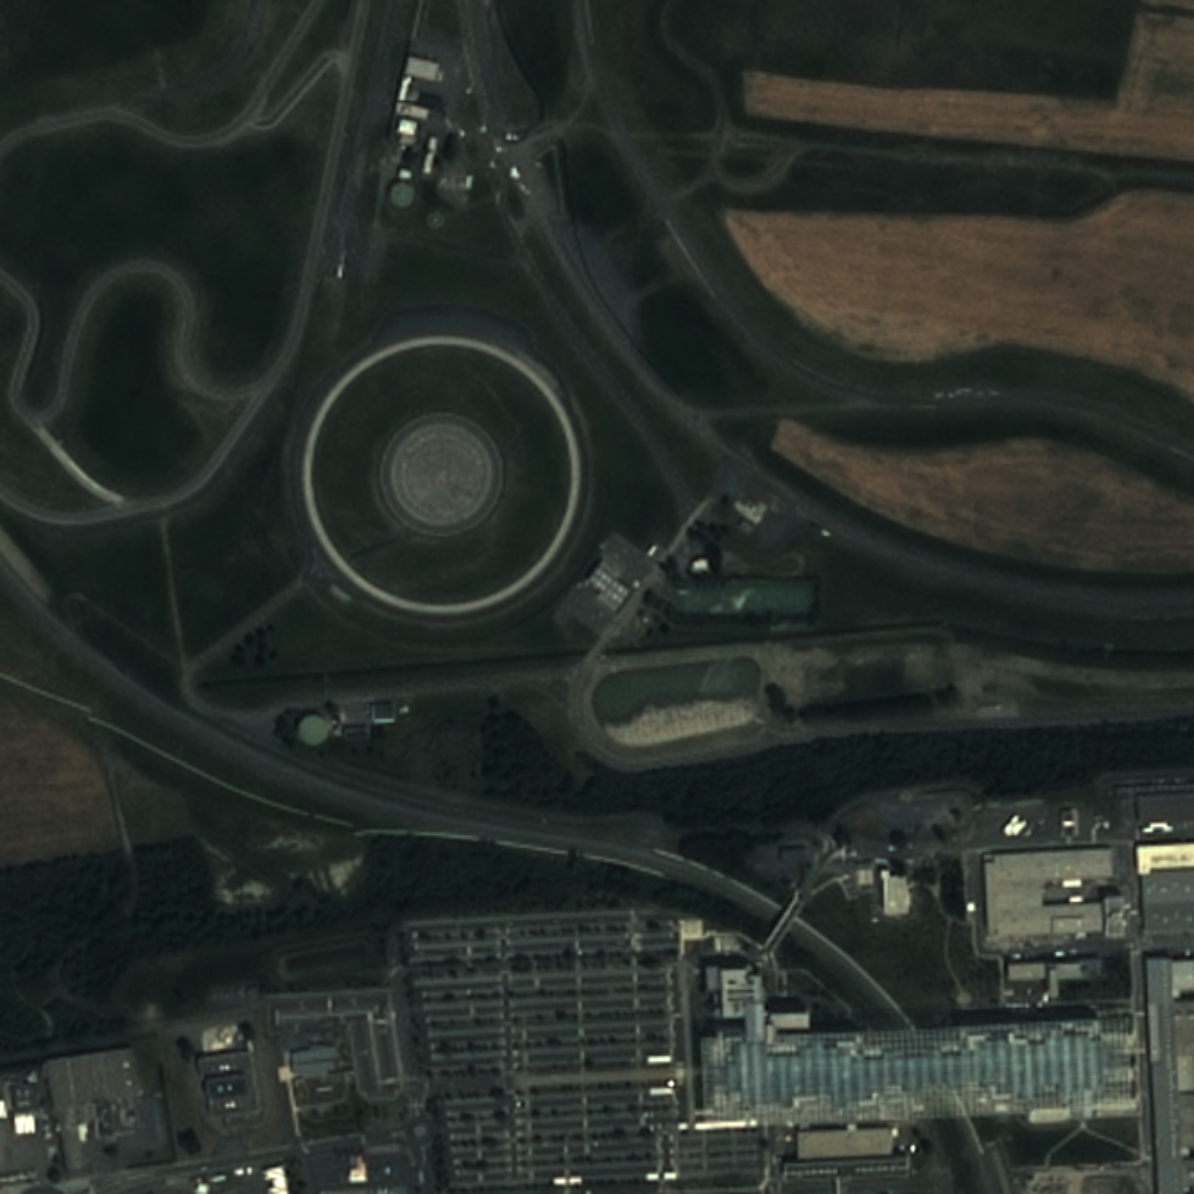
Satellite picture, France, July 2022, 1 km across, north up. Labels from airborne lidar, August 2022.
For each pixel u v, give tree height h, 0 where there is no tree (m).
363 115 0
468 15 0
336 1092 0
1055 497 0
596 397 0
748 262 0
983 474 0
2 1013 7
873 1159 0
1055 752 8
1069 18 0
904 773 7
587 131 0
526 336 0
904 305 0
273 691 0
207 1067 0
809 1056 0
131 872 6
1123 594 0
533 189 0
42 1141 0
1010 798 8
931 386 0
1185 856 0
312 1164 0
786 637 0
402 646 0
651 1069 0
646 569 0
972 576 0
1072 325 0
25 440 0
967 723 0
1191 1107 0
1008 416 0
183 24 0
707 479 0
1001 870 0
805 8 0
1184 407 0
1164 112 0
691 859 7
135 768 0
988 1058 0
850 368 0
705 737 0
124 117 0
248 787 0
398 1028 0
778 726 0
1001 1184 0
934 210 0
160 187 0
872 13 0
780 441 0
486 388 0
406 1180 0
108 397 0
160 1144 0
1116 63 0
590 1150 0
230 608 0
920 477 0
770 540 0
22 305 0
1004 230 0
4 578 0
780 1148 0
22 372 0
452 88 0
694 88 0
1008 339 0
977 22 0
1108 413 0
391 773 0
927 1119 0
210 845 0
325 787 0
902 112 0
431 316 0
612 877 10
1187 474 0
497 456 0
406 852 6
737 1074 0
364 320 0
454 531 0
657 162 0
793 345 0
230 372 0
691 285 0
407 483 0
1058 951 0
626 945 0
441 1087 0
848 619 0
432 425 0
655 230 0
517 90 0
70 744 0
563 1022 9
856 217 0
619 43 0
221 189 0
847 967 0
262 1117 0
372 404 0
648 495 0
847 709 10
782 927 0
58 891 9
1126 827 0
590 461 0
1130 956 0
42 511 0
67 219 0
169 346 0
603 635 0
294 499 0
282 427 0
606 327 0
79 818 0
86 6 0
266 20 0
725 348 0
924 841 0
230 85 0
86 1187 0
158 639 0
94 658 0
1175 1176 0
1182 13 0
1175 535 0
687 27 0
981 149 0
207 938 6
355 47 0
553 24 0
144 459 0
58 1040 6
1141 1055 0
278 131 0
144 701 0
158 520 0
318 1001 0
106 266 0
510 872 8
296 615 0
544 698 0
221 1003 0
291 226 0
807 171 0
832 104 0
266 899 0
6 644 0
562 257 0
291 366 0
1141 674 0
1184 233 0
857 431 0
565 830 0
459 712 0
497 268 0
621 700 0
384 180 0
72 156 0
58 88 0
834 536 0
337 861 0
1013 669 0
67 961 8
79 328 0
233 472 0
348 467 0
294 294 0
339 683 0
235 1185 0
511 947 0
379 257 0
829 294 0
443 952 0
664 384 0
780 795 8
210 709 0
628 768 0
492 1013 0
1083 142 0
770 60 0
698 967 0
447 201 0
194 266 0
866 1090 0
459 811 0
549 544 0
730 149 0
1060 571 0
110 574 0
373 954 0
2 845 0
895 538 0
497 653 0
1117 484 0
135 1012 0
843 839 11
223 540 0
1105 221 0
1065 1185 0
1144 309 0
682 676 0
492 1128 0
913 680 0
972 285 0
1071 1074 0
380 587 0
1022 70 0
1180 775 0
